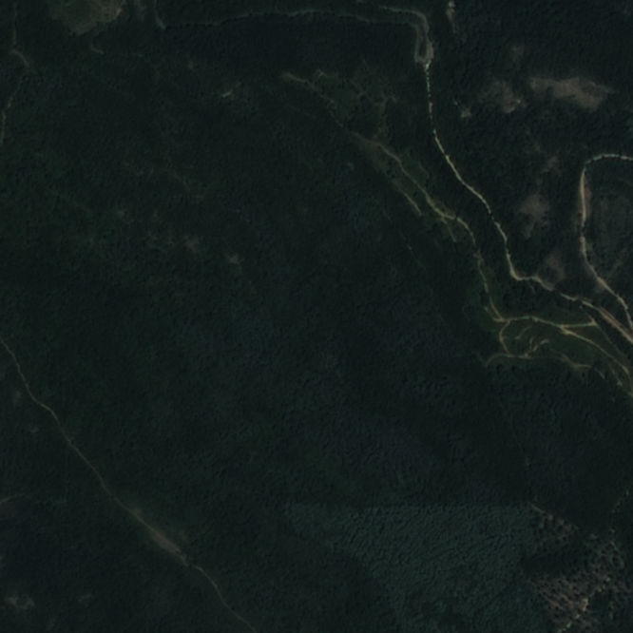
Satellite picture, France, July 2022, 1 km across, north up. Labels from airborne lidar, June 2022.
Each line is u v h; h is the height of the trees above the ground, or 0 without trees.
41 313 14
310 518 13
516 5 17
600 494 11
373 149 0
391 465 14
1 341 7
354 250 6
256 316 15
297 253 7
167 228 7
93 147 12
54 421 7
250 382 9
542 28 10
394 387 11
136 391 10
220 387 9
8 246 10
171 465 8
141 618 6
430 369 8
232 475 11
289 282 8
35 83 11
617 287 7
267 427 7
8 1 15
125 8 9
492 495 15
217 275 9
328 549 9
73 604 9
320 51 10
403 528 16
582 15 16
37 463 8
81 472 6
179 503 8
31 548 9
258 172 6
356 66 11
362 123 11
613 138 12
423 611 15
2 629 6
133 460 7
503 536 17
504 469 9
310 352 10
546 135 8
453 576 10
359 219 14
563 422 12
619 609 6
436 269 6
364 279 8
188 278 7
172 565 7
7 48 7
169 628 8
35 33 14
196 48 11
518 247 9
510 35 7
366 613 9
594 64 13
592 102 0
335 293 8
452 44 13
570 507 16
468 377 9
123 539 7
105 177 8
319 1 13
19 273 14
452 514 16
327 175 6
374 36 13
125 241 11
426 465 13
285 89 6
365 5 13
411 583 14
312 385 9
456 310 8
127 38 11
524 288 7
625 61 11
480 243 11
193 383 7
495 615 18
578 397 14
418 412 7
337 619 8
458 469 9
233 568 5
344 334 7
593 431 13
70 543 8
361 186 11
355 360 12
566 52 14
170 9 14
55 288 12
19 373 7
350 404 14
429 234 9
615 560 11
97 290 6
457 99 10
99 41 13
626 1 8
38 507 11
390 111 11
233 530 10
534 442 8
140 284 9
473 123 12
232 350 8
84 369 14
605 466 13
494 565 15
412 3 14
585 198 0
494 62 7
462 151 7
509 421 7
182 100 7
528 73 6
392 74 10
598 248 12
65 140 8
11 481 6
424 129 17
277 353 8
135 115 7
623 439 17
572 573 11
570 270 7
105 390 13
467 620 12
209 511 10
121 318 10
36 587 6
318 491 10
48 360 15
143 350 6
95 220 6
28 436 7
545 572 19
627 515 14
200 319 13
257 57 10
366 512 15
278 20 14
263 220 8
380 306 13
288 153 6
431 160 13
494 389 12
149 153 7
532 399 15
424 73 14
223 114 6
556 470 7
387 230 7
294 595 8
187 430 8
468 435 11
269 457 7
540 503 12
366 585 8
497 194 15
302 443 10
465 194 17
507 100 0
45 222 8
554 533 21
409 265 8
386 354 13
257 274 6
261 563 8
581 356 0
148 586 8
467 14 10
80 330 11
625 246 9
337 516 10
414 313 13
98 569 10
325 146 9
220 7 14
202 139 8
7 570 8
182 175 7
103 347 10
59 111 6
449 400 6
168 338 7
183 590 10
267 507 10
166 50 11
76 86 6
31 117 7
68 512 6
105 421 9
